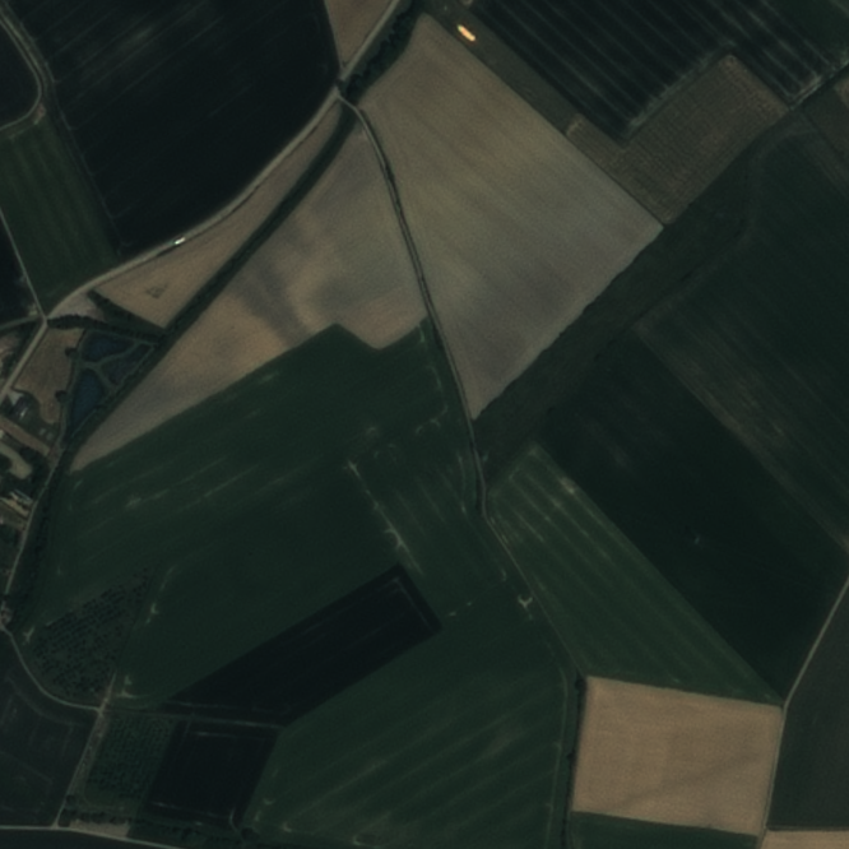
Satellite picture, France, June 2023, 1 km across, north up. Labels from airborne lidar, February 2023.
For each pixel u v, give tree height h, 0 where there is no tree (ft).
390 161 0
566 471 0
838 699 0
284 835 0
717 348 0
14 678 0
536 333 0
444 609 0
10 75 0
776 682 0
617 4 0
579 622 0
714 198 0
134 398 0
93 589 0
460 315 0
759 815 0
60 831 0
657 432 0
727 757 0
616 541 0
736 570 0
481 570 0
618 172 0
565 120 0
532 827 0
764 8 0
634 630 0
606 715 0
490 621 0
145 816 0
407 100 0
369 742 0
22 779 0
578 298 0
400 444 0
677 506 0
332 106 0
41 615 0
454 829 0
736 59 0
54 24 0
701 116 0
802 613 0
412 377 0
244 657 0
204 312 0
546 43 0
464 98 0
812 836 0
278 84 0
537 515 0
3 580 0
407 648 0
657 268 0
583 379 0
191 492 0
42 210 0
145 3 0
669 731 0
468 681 0
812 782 0
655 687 0
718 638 0
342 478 0
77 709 0
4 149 0
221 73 0
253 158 0
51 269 0
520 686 0
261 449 0
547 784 0
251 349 0
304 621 0
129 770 19
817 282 0
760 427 0
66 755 0
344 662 0
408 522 0
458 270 0
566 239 0
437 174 0
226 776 0
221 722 0
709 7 0
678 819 0
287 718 0
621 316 0
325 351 0
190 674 0
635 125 0
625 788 0
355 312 0
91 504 0
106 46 0
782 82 0
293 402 0
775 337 0
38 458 34
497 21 0
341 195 0
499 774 0
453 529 0
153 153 0
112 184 0
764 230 0
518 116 0
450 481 0
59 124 0
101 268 0
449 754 0
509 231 0
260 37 0
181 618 0
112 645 0
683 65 0
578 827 0
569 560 0
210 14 0
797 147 0
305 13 0
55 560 0
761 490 0
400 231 0
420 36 0
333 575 0
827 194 0
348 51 0
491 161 0
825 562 0
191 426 0
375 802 0
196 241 0
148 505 0
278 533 0
